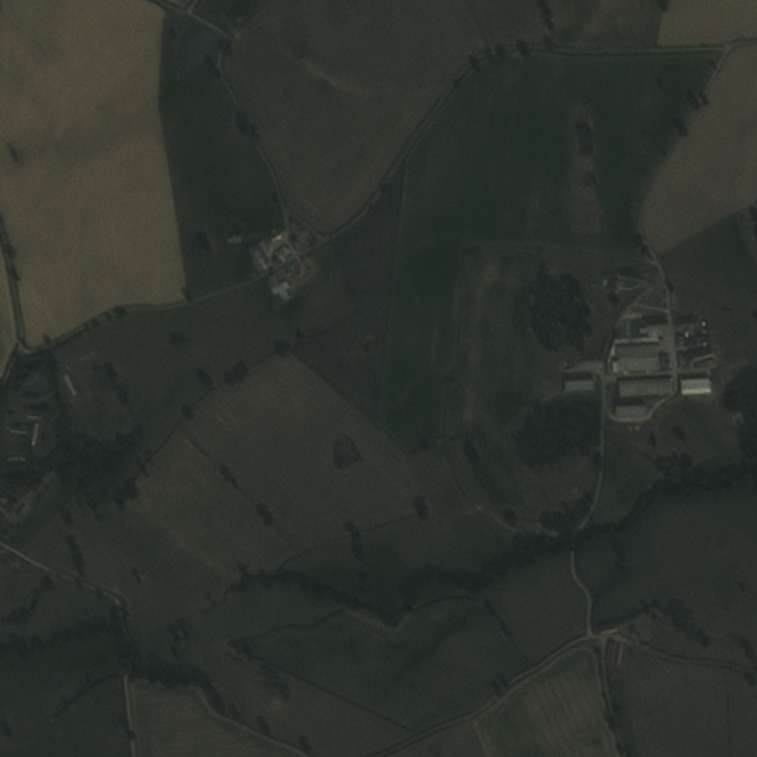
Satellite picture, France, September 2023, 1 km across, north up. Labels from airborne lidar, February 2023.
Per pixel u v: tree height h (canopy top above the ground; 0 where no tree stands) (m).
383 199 0
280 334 0
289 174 0
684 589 0
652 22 0
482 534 0
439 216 0
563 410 14
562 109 0
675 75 0
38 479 11
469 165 0
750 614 0
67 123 0
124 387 0
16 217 0
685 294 0
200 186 0
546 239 0
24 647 19
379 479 0
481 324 0
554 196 0
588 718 0
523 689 0
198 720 0
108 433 0
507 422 0
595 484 0
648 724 0
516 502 0
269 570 0
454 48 0
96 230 0
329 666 0
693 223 0
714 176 0
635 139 0
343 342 0
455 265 0
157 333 0
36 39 0
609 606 0
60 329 0
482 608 0
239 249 0
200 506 0
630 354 0
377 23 0
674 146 0
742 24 0
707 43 0
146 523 0
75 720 0
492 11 0
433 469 0
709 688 0
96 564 0
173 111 0
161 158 0
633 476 0
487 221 0
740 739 0
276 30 0
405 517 0
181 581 0
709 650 0
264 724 15
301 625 0
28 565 0
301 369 0
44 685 0
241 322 0
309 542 0
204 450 0
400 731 0
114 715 0
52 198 0
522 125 0
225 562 0
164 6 0
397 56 0
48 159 0
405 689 0
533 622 0
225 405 0
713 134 0
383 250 0
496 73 0
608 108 0
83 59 0
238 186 0
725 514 0
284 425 0
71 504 0
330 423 0
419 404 0
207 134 0
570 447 12
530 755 0
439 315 0
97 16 0
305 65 0
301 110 0
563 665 0
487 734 0
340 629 0
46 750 0
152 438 0
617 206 0
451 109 0
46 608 0
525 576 0
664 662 0
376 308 0
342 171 0
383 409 0
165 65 0
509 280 0
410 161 0
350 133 0
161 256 0
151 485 0
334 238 0
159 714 0
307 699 0
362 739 0
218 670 0
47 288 0
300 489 0
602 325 0
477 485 0
